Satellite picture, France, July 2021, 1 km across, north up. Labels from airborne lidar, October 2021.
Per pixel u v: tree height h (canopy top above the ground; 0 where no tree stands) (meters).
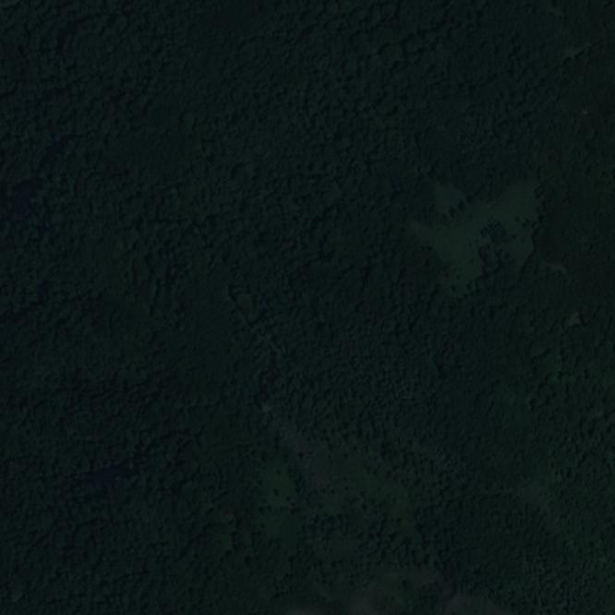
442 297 25
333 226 19
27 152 22
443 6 10
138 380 16
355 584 9
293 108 18
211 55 24
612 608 17
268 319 18
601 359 27
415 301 18
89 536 20
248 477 14
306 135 21
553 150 20
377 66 22
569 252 19
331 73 25
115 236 25
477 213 0
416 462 17
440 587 9
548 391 33
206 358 29
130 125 10
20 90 25
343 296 25
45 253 20
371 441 9
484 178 13
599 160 23
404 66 24
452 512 18
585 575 15
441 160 27
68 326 32
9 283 14
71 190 30
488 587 18
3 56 18
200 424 28
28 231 18
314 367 15
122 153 25
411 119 22
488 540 16
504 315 25
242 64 23
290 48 17
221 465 15
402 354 12
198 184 21
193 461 21
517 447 14
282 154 14
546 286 20
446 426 21
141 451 33
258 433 15
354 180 22
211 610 11
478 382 21
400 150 18
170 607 22
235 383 14
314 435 8
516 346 19
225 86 15
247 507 17
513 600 17
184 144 23
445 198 0
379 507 12
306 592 12
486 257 15
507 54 24
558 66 18
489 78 27
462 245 0
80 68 36
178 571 10
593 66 21
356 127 22
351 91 25
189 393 22
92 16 23
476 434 20
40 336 19
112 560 28
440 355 22
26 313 20
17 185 27
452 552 13
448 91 26
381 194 25
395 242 10
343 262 23
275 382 7
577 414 27
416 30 32
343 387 18
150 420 23
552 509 8
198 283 22
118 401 18
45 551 21
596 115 20
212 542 10
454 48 31
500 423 20
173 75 30
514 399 14
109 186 32
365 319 24
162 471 31
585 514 14
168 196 23
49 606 23
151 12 26
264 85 17
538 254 15
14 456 13
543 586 15
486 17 31
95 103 17
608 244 23
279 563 8
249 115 21
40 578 19
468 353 24
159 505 17
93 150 29
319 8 25
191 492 17
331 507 0
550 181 7
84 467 32
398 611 6
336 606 7
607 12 27
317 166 20
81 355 17
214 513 16
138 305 23
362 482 0
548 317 22
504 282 23
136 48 25
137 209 26
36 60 24
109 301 21
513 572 23
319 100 18
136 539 13
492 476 10
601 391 23
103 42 27
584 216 26
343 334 22
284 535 0
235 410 17
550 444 18
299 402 11
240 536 16
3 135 13
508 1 24
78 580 19
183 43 21
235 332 20
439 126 27
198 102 18
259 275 15
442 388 17
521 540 16
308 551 10
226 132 13
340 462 0
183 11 23
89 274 17
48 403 28
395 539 18
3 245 18
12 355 25
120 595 25
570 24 23
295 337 23
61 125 18
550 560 17
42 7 8
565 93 22
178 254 28
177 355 17
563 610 15
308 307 12
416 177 15
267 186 12
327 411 9
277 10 23
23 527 22
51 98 15
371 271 9
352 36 30
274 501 0
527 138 20
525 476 12
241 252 23
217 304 28
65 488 23
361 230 15
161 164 24
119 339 12
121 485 38
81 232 20
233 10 26
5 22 41
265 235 10
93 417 17
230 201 19
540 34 28
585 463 23
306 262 26
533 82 20
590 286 28
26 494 21
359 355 9
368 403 8
